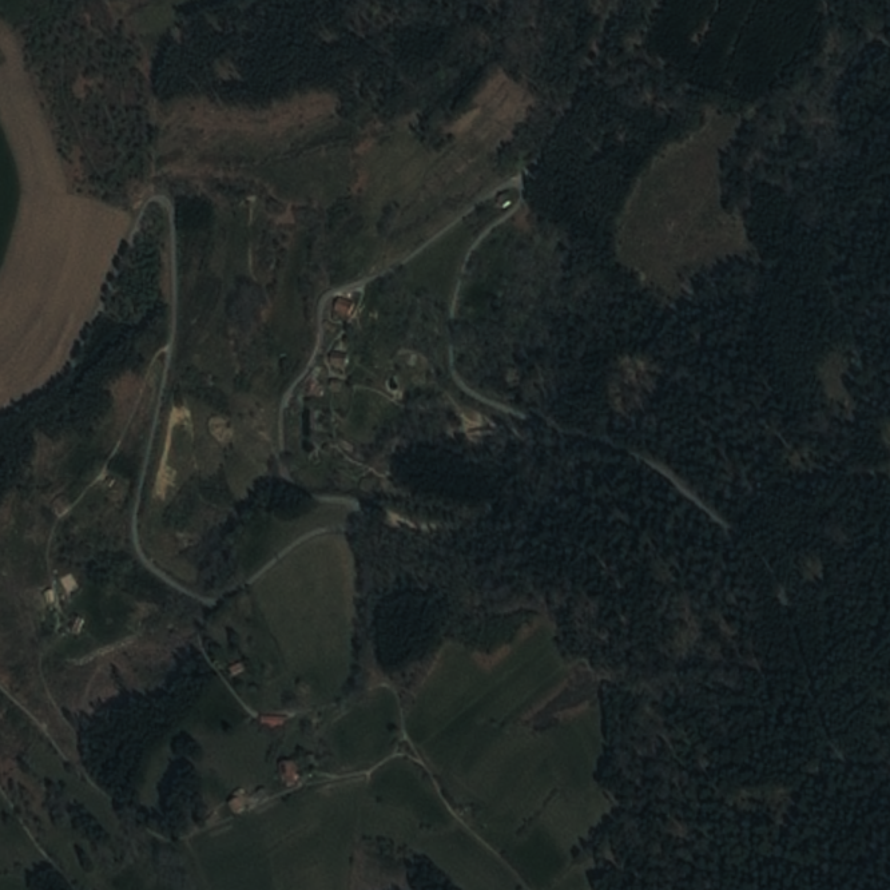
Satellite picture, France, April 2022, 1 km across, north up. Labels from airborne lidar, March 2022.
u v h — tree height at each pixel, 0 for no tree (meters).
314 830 0
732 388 43
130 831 25
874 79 39
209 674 28
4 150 0
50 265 0
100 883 0
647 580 17
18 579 0
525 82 20
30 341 0
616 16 11
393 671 22
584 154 27
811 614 36
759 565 26
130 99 0
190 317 0
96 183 12
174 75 27
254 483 0
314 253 12
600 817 0
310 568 0
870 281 24
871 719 38
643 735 27
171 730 22
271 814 0
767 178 26
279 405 0
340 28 24
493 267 0
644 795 25
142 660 0
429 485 19
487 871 0
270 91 27
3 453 21
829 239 28
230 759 0
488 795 0
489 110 0
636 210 0
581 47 14
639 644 27
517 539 23
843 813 29
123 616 0
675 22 14
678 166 0
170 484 0
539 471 18
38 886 19
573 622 21
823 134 22
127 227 0
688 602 33
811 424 22
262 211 0
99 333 12
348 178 0
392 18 22
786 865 15
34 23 9
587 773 0
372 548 18
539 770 0
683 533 13
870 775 32
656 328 20
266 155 0
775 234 20
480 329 19
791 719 35
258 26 24
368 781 0
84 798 0
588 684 0
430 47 23
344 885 0
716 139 0
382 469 0
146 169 13
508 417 0
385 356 0
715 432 39
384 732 0
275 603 0
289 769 0
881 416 18
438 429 18
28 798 17
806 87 22
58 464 0
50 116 0
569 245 19
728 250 0
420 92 29
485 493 19
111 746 26
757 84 18
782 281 25
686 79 14
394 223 24
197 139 0
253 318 36
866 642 36
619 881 29
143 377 27
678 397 24
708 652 16
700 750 20
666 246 0
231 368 0
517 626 10
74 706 0
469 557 16
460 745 0
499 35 21
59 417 27
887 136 21
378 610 16
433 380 17
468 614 16
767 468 7
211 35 27
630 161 23
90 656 0
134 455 0
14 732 0
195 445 0
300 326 0
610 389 24
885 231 25
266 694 0
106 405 27
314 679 0
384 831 0
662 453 27
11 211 0
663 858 8
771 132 26
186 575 0
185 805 28
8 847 0
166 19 0
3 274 0
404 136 0
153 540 0
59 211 0
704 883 25
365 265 0
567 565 22
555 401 24
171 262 0
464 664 0
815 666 35
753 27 14
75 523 14
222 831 0
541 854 0
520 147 18
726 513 34
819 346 27
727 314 29
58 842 0
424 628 20
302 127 0
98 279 0
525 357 25
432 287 0
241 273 0
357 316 0
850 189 29
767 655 23
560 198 22
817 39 17
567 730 0
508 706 0
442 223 0
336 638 0
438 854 0
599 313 26
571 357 28
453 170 0
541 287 16
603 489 15
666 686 32
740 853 36
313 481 0
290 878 0
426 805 0
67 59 9
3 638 0
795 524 33
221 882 0
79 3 8
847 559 30
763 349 24
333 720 0
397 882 0
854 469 29
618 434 24
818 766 36
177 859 23
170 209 0
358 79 28
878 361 30
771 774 34
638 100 32
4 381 0
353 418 0
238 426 0
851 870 22
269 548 0
